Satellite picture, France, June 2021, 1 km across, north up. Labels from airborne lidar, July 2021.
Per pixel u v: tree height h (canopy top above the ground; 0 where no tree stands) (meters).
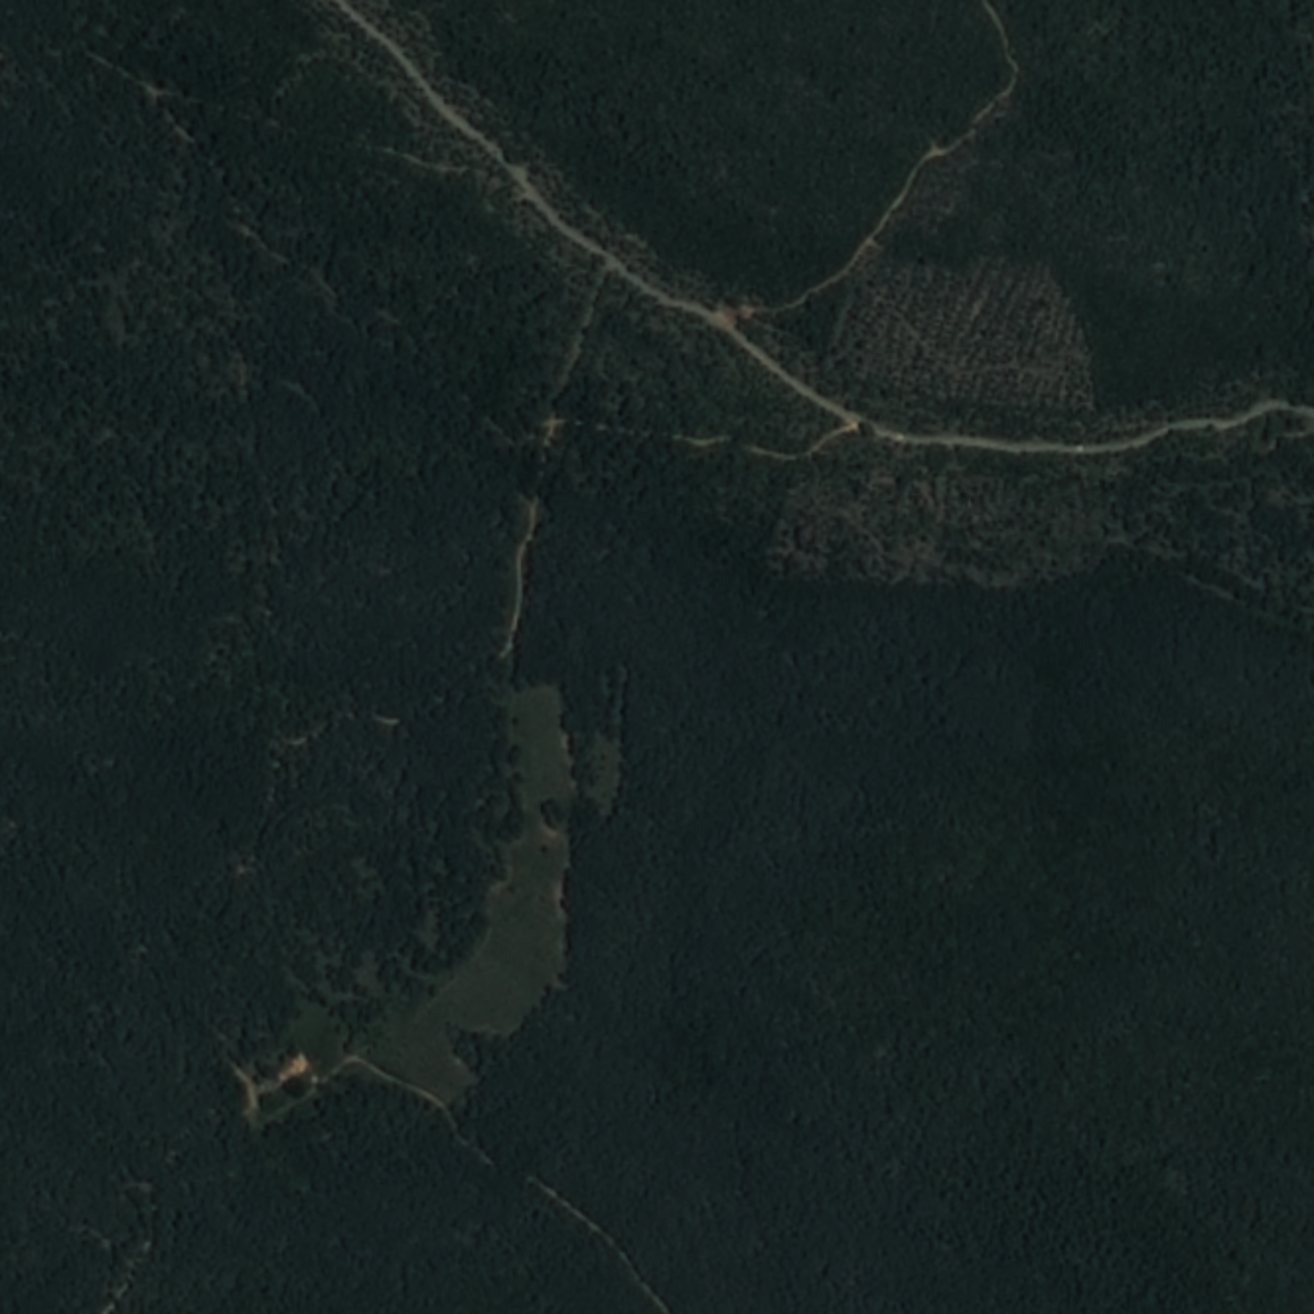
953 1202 11
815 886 9
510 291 11
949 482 7
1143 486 10
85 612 11
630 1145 11
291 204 12
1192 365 8
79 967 13
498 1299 9
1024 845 9
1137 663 11
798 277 6
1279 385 7
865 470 13
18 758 12
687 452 8
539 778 0
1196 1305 10
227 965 14
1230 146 7
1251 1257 11
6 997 11
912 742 12
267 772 12
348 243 10
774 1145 11
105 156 11
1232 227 9
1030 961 6
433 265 7
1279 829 9
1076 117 11
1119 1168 6
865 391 6
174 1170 11
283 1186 14
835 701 15
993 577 10
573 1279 12
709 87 11
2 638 7
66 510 10
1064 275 6
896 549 7
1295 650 15
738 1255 10
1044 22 9
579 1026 11
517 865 0
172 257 8
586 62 6
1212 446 8
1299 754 9
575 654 12
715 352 8
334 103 7
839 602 13
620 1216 11
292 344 13
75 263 12
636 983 10
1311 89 11
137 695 10
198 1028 15
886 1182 10
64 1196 13
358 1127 14
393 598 10
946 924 9
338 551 10
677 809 14
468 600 12
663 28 9
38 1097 9
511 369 10
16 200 10
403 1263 8
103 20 9
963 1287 14
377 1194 10
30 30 10
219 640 9
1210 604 16
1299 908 7
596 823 13
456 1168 12
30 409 9
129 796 13
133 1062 16
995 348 6
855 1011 9
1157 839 11
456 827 12
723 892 9
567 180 6
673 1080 13
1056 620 13
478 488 10
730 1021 9
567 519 12
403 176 6
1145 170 9
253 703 12
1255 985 8
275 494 6
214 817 13
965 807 9
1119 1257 8
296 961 6
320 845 12
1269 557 10
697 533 13
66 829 12
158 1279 10
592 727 12
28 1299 15
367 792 13
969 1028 10
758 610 10
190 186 11
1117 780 9
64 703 10
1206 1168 12
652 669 12
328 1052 0
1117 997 8
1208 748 10
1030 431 7
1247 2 7
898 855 9
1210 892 11
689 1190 10
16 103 10
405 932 9
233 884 11
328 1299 10
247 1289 14
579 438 12
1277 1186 11
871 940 10
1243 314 6
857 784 11
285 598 13
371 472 8
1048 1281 10
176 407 6
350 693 8
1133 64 6
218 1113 7
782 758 11
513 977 0
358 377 12
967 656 13
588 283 6
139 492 10
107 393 6
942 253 8
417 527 11
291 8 8
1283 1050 8
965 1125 13
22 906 13
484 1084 9
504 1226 11
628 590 12
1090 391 7
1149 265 6
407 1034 0
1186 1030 8
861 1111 11
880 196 6
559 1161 11
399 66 6
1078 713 11
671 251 8
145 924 13
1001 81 7
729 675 14
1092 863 8
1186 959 8
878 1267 11
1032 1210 11
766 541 14
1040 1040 8
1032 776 11
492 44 6
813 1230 11
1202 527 8
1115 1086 8
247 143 7
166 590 10
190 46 8
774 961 9
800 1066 9
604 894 11
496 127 7
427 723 14
